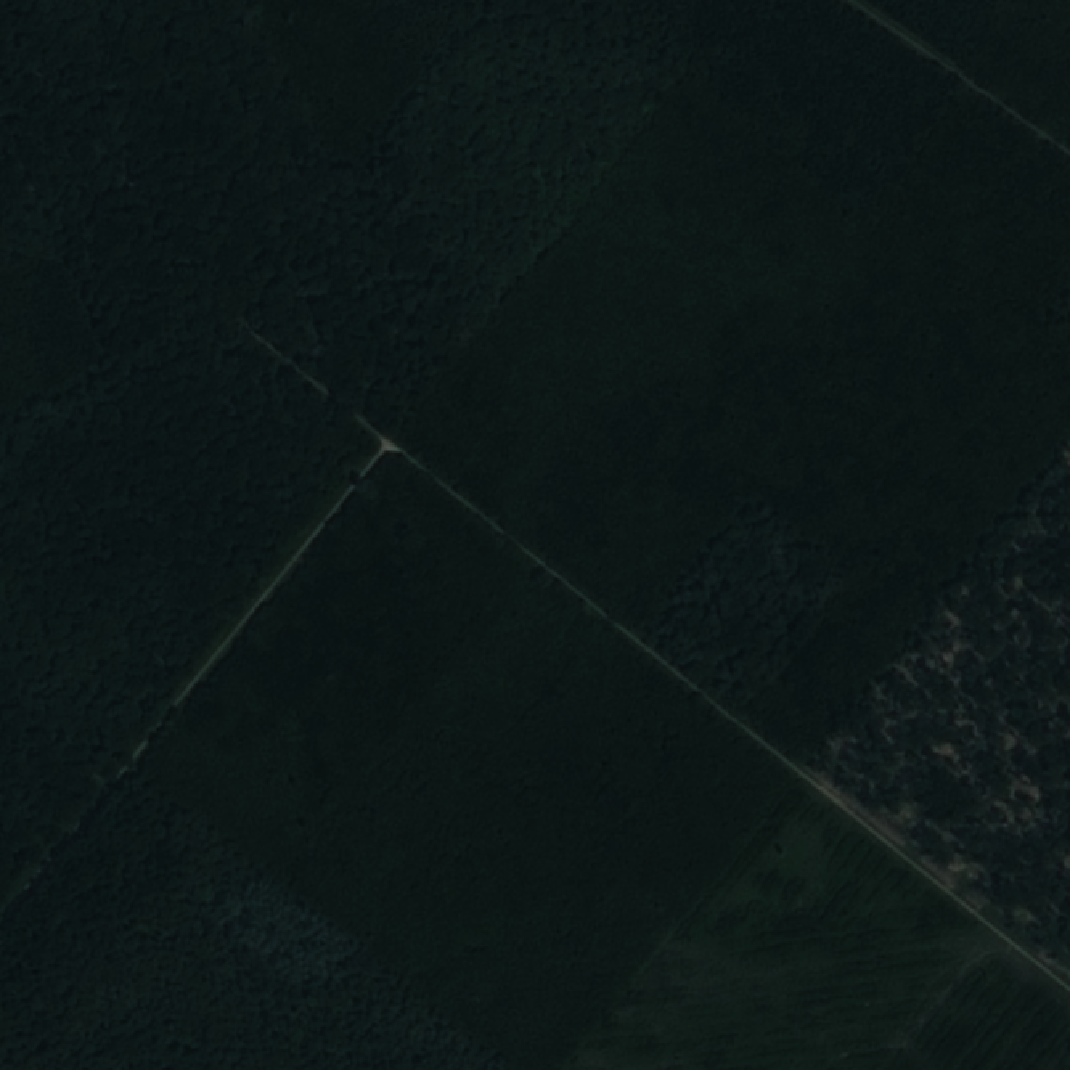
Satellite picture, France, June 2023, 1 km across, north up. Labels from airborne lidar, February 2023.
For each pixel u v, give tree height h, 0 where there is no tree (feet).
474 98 78
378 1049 78
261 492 106
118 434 103
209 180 105
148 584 82
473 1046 60
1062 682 107
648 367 36
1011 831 99
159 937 74
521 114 84
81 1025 61
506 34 83
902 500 50
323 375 103
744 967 0
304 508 96
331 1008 73
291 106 93
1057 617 108
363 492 100
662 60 84
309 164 102
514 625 31
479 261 80
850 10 47
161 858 78
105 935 79
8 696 96
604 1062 0
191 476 102
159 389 97
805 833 0
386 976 62
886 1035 0
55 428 93
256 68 96
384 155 94
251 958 80
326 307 99
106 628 83
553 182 77
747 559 103
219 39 87
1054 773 114
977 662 103
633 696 38
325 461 91
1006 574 92
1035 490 97
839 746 92
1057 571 105
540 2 95
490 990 42
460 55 88
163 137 106
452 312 90
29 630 82
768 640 101
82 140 89
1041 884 92
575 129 83
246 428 91
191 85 99
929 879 0
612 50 89
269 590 0
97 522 108
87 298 78
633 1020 0
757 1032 0
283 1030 80
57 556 92
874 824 0
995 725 110
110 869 72
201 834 73
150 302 82
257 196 98
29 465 100
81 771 98
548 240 53
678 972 0
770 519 70
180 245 97
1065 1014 0
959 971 0
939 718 110
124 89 99
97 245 79
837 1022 0
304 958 84
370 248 106
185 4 90
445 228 87
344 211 97
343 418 110
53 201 61
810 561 107
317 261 96
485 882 45
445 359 88
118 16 87
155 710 80
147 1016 78
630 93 83
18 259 80
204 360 105
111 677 91
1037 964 0
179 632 92
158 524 106
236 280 91
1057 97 43
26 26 91
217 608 84
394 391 91
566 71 83
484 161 71
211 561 99
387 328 106
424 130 74
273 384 102
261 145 91
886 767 101
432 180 92
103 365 70
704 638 103
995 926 0
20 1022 81
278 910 84
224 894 87
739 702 41
